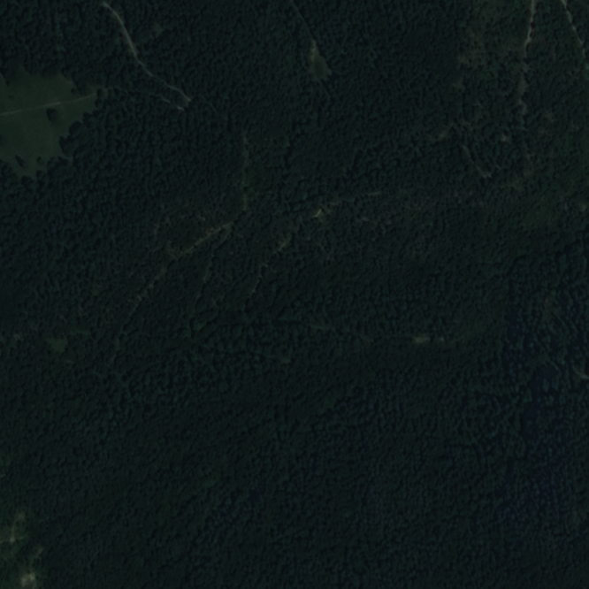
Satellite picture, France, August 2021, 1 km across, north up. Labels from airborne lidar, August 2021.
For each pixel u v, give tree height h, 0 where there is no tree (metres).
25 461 12
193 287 16
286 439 27
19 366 17
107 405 19
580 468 21
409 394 29
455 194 26
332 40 31
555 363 24
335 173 28
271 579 21
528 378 26
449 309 22
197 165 13
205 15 22
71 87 0
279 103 22
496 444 17
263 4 12
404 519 26
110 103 7
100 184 23
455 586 22
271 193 22
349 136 29
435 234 32
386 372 31
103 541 23
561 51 22
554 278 27
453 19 17
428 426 27
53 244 21
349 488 31
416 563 27
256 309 29
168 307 18
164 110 19
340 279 34
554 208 8
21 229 20
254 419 26
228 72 17
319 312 17
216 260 18
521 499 26
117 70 23
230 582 26
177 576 25
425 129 15
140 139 15
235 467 29
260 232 26
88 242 19
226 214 7
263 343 25
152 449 23
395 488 25
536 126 20
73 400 17
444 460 26
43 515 16
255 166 17
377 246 24
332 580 25
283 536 22
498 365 27
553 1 7
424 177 20
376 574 29
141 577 24
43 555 8
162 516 28
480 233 28
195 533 17
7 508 8
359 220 6
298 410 28
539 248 30
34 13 19
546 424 27
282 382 13
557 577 22
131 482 28
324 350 16
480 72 19
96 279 20
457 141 17
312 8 29
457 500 26
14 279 18
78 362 16
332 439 25
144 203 11
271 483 22
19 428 21
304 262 18
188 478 19
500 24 12
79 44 23
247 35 18
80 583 15
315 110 10
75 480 20
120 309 20
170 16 22
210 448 21
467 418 26
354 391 10
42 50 19
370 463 28
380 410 33
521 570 15
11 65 28
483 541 25
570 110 19
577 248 29
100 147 26
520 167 21
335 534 23
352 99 28
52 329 14
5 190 23
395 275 33
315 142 28
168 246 10
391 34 24
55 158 8
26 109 0
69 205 27
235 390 22
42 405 24
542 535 21
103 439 14
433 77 25
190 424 24
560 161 15
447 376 23
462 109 22
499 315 13
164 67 25
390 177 31
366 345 22
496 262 16
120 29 19
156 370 18
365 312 22
